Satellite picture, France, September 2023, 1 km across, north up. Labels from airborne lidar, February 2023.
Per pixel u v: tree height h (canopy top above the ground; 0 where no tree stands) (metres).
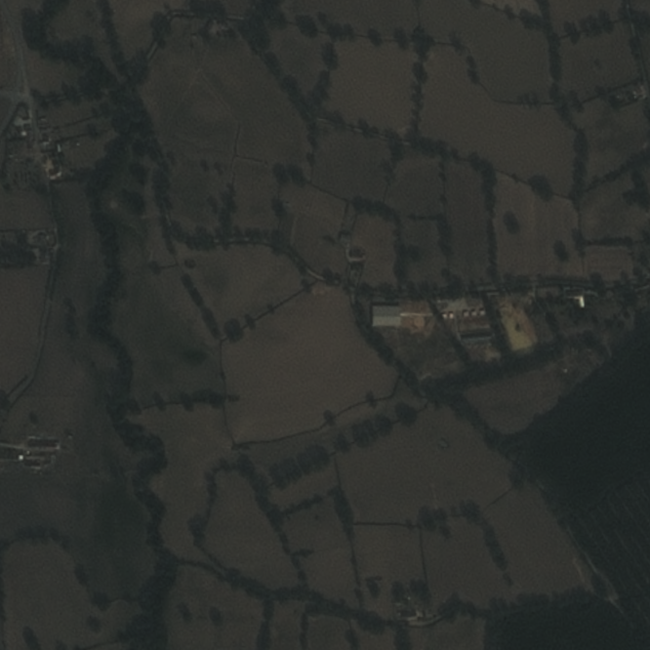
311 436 0
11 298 0
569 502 11
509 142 0
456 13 0
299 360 0
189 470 0
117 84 11
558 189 0
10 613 0
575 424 13
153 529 14
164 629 7
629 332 0
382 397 0
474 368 15
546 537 0
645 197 18
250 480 15
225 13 15
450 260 0
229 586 12
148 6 0
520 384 0
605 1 0
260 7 16
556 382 0
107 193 0
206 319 17
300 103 13
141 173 15
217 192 0
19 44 0
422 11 0
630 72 0
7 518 0
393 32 0
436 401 20
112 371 0
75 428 0
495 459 0
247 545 0
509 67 0
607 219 0
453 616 14
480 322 0
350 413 0
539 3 16
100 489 0
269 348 0
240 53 0
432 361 0
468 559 0
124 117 18
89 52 21
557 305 7
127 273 0
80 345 0
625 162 0
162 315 0
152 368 0
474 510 18
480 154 0
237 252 0
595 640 11
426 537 0
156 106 0
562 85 0
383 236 0
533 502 0
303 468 18
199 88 0
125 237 0
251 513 0
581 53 0
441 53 0
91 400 0
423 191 0
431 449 0
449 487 0
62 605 0
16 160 0
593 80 0
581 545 9
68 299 0
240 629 0
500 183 0
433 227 0
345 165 0
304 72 0
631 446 9
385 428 17
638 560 14
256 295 0
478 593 0
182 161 0
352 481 0
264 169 0
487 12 0
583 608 14
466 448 0
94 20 0
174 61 0
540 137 0
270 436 0
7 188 14
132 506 0
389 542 0
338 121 19
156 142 10
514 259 0
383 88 0
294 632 0
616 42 0
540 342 0
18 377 0
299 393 0
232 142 0
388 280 0
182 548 0
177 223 0
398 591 15
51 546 0
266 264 0
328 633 0
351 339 0
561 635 12
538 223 0
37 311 0
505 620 10
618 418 11
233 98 0
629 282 16
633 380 12
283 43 0
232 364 0
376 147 0
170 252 13
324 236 0
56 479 0
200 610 0
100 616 0
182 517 0
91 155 0
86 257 0
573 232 0
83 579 17
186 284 13
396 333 0
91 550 0
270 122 0
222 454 0
